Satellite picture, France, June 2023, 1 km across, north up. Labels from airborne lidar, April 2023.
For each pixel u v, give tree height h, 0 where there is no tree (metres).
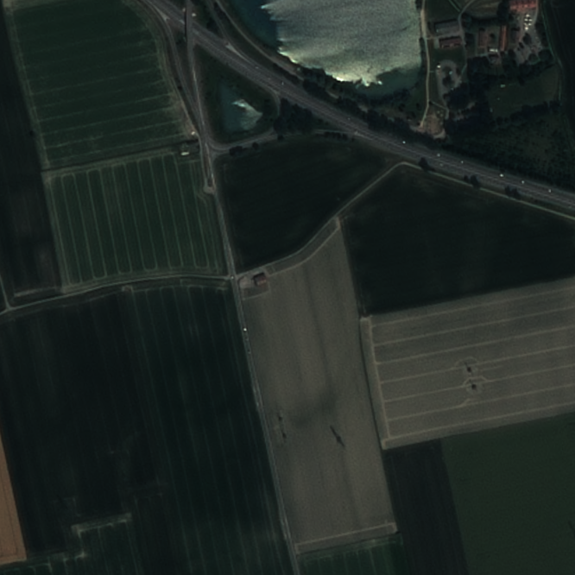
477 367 0
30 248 0
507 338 0
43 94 0
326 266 0
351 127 0
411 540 0
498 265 0
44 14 0
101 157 0
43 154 0
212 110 0
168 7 0
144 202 0
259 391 0
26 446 0
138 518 0
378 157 0
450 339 0
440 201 0
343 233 0
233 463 0
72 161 0
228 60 0
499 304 0
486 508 0
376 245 0
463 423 0
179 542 0
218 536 0
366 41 0
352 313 0
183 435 0
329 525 0
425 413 0
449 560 0
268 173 0
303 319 0
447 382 0
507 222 0
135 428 0
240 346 0
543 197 0
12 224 0
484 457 0
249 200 0
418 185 0
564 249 0
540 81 0
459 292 0
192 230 0
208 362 0
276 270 0
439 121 0
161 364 0
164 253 0
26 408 0
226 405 0
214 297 0
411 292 0
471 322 0
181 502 0
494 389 0
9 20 0
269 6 0
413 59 0
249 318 0
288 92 0
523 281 0
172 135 0
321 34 0
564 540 0
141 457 0
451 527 0
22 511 0
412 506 0
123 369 0
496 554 0
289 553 0
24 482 0
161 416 0
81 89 0
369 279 0
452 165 0
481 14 0
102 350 0
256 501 0
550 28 0
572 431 0
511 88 0
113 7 0
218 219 0
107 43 0
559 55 0
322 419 0
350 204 0
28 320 0
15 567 0
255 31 0
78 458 0
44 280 0
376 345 0
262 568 0
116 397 0
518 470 0
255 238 0
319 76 12
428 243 0
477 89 28
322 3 0
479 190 0
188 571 0
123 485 0
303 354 0
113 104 0
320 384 0
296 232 0
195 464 0
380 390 0
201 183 0
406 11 0
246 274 0
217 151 0
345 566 0
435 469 0
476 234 0
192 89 0
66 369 0
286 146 0
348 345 0
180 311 0
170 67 0
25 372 0
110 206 0
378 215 0
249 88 0
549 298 0
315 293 0
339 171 0
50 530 0
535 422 0
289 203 0
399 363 0
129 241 0
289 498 0
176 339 0
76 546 0
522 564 0
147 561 0
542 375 0
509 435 0
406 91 11
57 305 0
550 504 0
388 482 0
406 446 0
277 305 0
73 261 0
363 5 0
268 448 0
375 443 0
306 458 0
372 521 0
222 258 0
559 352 0
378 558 0
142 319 0
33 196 0
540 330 0
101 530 0
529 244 0
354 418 0
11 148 0
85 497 0
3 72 0
